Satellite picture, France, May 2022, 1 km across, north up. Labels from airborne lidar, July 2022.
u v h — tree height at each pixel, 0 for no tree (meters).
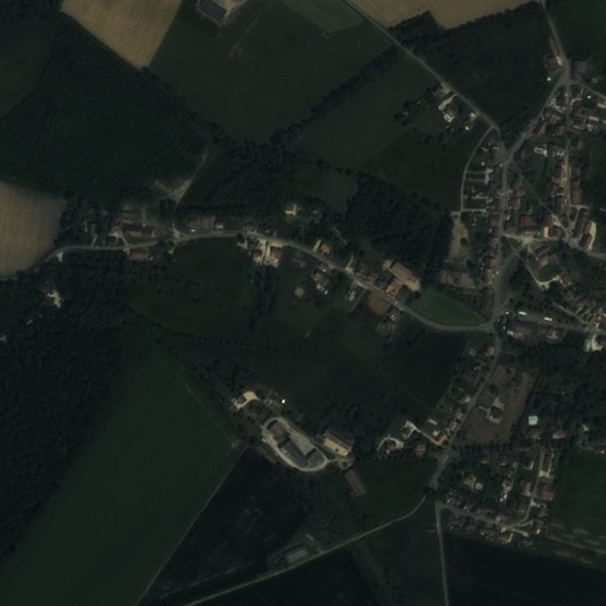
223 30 0
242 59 0
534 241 0
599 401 15
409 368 0
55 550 0
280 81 0
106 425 0
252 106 0
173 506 0
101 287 17
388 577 10
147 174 9
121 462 0
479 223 0
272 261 0
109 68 6
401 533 0
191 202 0
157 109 10
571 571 0
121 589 0
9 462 30
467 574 0
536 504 0
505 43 0
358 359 0
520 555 0
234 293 0
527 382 0
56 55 6
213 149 0
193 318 0
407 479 0
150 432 0
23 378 32
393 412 0
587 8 0
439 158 0
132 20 0
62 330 30
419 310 0
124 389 0
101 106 9
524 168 7
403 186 0
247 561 0
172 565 0
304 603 0
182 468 0
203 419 0
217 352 0
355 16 0
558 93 0
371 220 15
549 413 15
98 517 0
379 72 21
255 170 20
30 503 28
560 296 11
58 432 26
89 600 0
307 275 0
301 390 0
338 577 0
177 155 8
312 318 0
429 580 0
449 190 0
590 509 0
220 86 0
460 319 0
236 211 10
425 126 0
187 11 0
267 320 0
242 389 10
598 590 0
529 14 19
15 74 0
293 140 21
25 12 25
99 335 28
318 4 0
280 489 0
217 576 0
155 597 0
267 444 0
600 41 0
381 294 0
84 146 9
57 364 29
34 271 0
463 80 0
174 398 0
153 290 0
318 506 23
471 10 0
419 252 17
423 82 0
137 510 0
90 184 10
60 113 8
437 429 0
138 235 0
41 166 8
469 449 10
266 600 0
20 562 0
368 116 0
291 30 0
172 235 0
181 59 0
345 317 0
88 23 0
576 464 0
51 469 30
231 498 0
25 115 8
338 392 0
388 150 0
